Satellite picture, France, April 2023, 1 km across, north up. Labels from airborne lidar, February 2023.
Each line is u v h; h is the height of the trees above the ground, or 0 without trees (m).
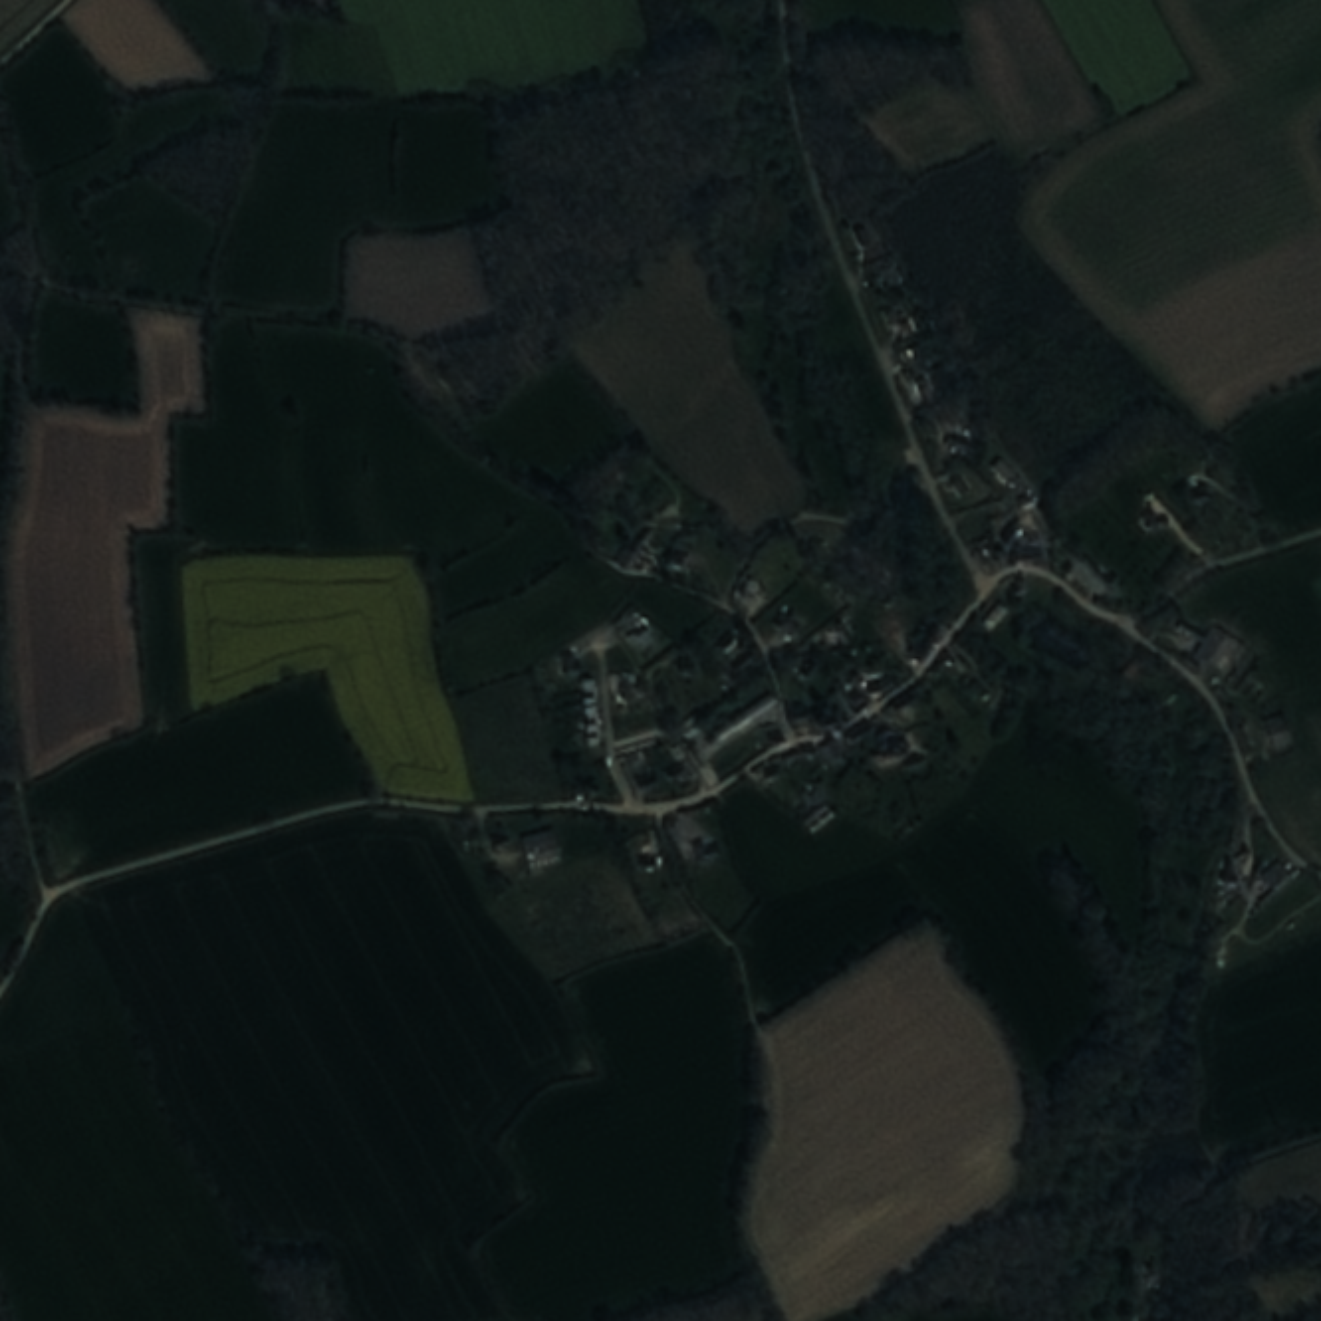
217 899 0
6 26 0
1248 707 0
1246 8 0
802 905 0
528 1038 0
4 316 15
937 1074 0
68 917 0
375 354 0
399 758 0
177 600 0
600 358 0
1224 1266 11
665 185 16
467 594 0
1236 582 0
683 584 12
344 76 0
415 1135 0
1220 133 0
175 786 0
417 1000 0
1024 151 0
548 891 0
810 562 6
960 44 10
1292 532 0
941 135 0
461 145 0
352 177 0
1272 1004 0
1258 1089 0
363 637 0
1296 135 0
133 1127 0
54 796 0
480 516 0
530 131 21
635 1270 0
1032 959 0
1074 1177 9
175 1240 0
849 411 19
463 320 0
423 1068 0
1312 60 0
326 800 0
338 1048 0
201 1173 9
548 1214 0
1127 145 0
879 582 22
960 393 20
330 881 0
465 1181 0
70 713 0
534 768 0
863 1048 0
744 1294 16
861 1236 0
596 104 19
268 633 0
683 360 0
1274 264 0
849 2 0
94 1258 0
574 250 21
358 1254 0
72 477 0
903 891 0
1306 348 0
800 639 0
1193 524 9
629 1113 0
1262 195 0
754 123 9
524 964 0
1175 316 0
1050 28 0
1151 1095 26
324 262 0
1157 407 12
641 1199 0
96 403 6
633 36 0
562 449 0
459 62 0
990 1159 0
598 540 11
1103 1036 19
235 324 0
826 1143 0
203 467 0
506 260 16
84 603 0
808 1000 11
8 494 14
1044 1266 21
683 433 0
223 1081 0
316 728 0
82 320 0
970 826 0
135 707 0
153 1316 0
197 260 0
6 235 8
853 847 0
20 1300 0
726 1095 0
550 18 0
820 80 21
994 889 0
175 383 0
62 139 0
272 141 0
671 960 0
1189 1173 19
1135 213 0
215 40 0
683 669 0
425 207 0
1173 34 0
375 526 0
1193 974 10
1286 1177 0
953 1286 18
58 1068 0
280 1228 0
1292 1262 12
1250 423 0
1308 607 0
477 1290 0
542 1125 0
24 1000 0
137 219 0
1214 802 8
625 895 0
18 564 0
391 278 0
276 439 0
